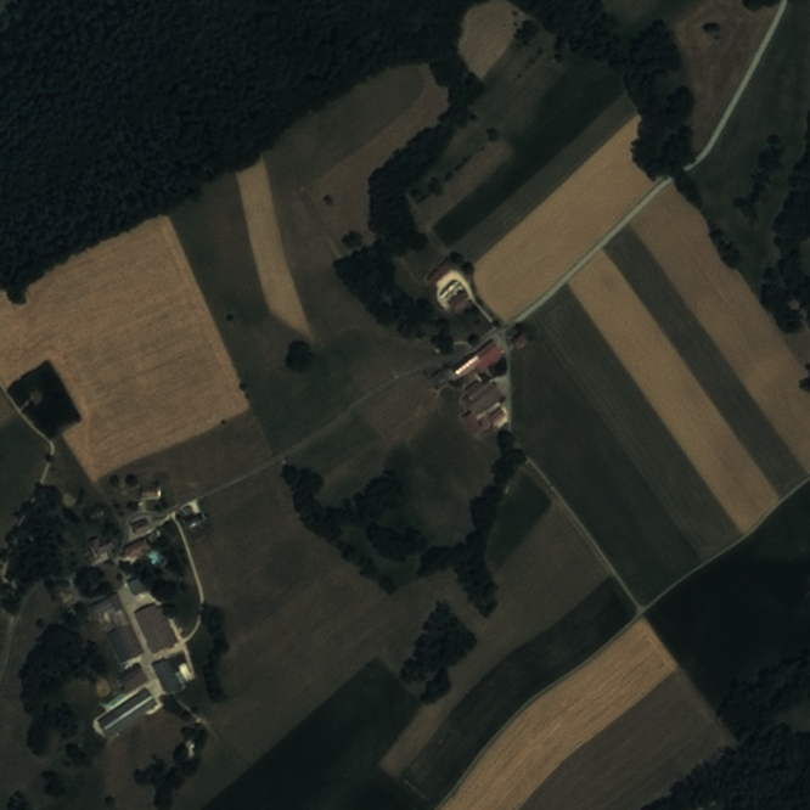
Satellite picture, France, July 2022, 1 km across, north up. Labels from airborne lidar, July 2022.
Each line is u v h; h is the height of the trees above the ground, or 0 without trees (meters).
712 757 0
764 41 0
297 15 23
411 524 0
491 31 0
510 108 0
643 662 0
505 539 0
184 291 0
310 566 0
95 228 33
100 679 19
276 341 0
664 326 0
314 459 0
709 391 0
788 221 19
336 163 0
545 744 0
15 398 8
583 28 7
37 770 0
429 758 0
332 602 0
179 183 34
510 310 0
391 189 24
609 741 0
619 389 0
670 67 18
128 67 18
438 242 0
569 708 0
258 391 0
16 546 18
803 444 0
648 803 0
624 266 0
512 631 0
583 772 0
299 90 24
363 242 17
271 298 0
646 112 18
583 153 0
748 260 0
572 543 0
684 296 0
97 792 0
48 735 19
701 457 0
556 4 19
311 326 0
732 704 12
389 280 24
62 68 24
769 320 0
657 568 0
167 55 24
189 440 0
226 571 0
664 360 0
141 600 0
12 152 22
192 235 0
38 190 20
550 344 0
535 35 15
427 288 0
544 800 0
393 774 0
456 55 20
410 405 0
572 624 0
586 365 0
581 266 0
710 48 0
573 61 0
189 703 0
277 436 0
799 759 21
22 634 0
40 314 0
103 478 0
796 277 18
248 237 0
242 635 0
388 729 0
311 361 20
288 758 0
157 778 16
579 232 0
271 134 21
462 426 0
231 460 0
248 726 0
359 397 0
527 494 0
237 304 0
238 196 0
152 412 0
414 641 0
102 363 0
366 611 0
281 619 0
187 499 0
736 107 0
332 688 0
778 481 0
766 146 0
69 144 15
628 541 0
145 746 0
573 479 0
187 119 25
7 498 0
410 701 0
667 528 0
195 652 0
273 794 0
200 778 0
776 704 19
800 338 0
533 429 0
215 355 0
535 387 0
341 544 11
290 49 22
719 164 0
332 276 0
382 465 0
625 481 0
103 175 29
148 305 0
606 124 0
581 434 0
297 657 0
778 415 0
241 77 23
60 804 0
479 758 0
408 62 19
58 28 25
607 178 0
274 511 0
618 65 21
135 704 0
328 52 27
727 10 0
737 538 0
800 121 0
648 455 0
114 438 0
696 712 0
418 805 0
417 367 0
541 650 0
